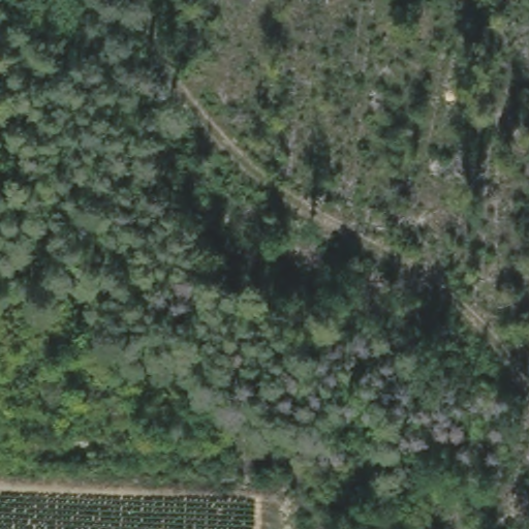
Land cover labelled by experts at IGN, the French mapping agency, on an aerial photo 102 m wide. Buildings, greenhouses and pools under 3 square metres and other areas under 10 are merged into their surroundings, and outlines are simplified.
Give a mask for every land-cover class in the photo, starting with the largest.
<instances>
[{"label":"deciduous trees","instance_id":"1","mask_svg":"<svg viewBox=\"0 0 529 529\"><path fill-rule=\"evenodd\" d=\"M155 8L163 17L161 27L153 35L157 64L161 72L159 81L165 93L163 101L172 105L180 116V126L172 132V138L165 149L167 153L163 167L172 176V188L176 196L184 203V209L188 211L192 221L203 227L205 236L213 238V254H219L225 260L221 269L213 271H198L196 267L188 269L186 283L215 287L217 291H227L229 295L254 289L258 295H262L267 308L277 316H281V312L291 300L314 302L322 291L337 295L339 300H343V304H347L351 302L347 289L357 287L364 298V308L351 310V314L345 318L351 326L370 331H391L403 339H424L432 333H440L442 337L455 341L450 366L457 372L459 386L475 399L467 413L471 440L438 442L434 438V428L438 422H428L426 426L403 424L399 436H403L405 440H422L426 448L405 450L399 457V463L393 465L366 463L349 473L337 471L335 467H326L320 473H316L318 481L312 488H308L295 477L291 463L287 459L265 455L262 459H256L252 463V488L258 492L265 490L267 494H275L283 500L289 498L291 508L295 510V529H529V0H155L151 4V10ZM231 434L219 428L207 411H196L190 405L186 388H182L178 382H169V386H153L149 366L145 364V360L136 357L134 362H130L122 353H118V345H114V341L107 335H101L95 324H87L85 306L81 302L72 308H68L66 304H48L45 308H37L19 283H10L8 293L0 298V479L66 484V479L70 477L79 479V484L89 486L165 488V484L174 479L205 481L209 475L229 477L236 473V465L242 461L240 448L231 444Z\"/></svg>","mask_w":529,"mask_h":529},{"label":"coniferous trees","instance_id":"2","mask_svg":"<svg viewBox=\"0 0 529 529\"><path fill-rule=\"evenodd\" d=\"M155 0H0V298L8 293L10 283H19L37 308H45L48 304H66L68 308H72L81 302L85 306L87 324H95L101 335H107L114 341V345H118V353H122L130 362H134L136 357L145 360V364L149 366L153 386H169V382H178L182 388H186L190 405L196 411H207L219 428L231 434V444L240 448L242 461L252 463L256 459H262L265 455L287 459L291 463L295 477L308 488H312L318 481L316 473H320L326 467H335L337 471L349 473L366 463L393 465L399 463V457L405 450L426 448L422 440H405L403 436H399L403 424L426 426L428 422H438L434 428V438L438 442L471 440L467 413L475 399L459 386L457 372L450 366L455 341L442 337L440 333H432L424 339H403L391 331H370L351 326L345 318L351 314V310L364 308V298L357 287L347 289L351 302L347 304H343V300H339L337 295L322 291L314 302L291 300L281 312V316H277L267 308L262 295H258L254 289L229 295L227 291H217L215 287L186 283L188 269L196 267L198 271H213L221 269L225 260L219 254H213V238L205 236L203 227L192 221L188 211L184 209V203L176 196L172 188V176L163 167L167 153L165 149L172 138V132L180 126V116L172 105L163 101L165 93L159 81L161 72L157 64L153 35L161 27L163 17L155 8L151 10V4Z\"/></svg>","mask_w":529,"mask_h":529},{"label":"vineyard","instance_id":"3","mask_svg":"<svg viewBox=\"0 0 529 529\"><path fill-rule=\"evenodd\" d=\"M165 488H174L172 496H76L0 492V529H254L252 498L258 492L252 488V463L242 461L236 465V473L229 477L209 475L205 481L174 479L165 484Z\"/></svg>","mask_w":529,"mask_h":529},{"label":"herbaceous vegetation","instance_id":"4","mask_svg":"<svg viewBox=\"0 0 529 529\"><path fill-rule=\"evenodd\" d=\"M174 488H165L89 486L79 484V479L70 477L66 479V484L0 479V492L76 496H172ZM254 529H295V510L291 508L289 498L283 500L275 494H267L265 490L258 492L252 498Z\"/></svg>","mask_w":529,"mask_h":529}]
</instances>
